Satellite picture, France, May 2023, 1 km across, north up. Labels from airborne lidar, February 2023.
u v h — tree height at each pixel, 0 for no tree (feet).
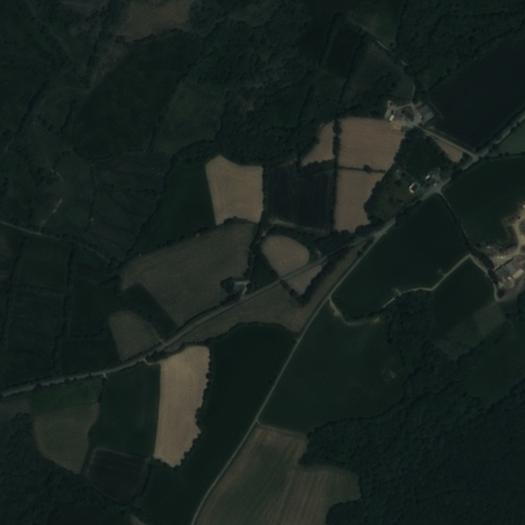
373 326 0
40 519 38
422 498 50
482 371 0
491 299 0
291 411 0
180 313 0
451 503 59
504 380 0
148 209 0
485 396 0
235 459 0
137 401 0
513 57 0
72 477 53
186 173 0
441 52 34
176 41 0
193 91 0
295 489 0
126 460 0
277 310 0
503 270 0
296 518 0
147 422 0
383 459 20
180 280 0
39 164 0
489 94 0
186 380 0
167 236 0
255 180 0
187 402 0
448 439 57
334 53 0
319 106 24
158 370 0
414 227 0
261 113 26
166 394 0
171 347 0
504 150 0
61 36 0
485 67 0
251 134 42
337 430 21
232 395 0
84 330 0
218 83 17
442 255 0
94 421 0
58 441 0
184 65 0
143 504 0
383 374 0
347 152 0
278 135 29
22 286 20
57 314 0
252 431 0
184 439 0
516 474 54
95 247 31
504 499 50
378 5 0
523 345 0
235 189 0
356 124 0
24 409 0
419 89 62
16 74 0
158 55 0
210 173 0
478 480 53
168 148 0
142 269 0
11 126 0
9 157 0
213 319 0
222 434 0
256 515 0
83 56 0
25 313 0
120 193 0
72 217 0
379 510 50
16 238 0
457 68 34
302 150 35
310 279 0
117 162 0
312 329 0
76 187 0
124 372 25
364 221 0
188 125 0
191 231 0
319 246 51
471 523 63
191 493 0
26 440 42
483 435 53
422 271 0
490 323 0
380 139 0
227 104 30
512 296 0
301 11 34
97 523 0
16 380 0
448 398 63
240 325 18
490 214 0
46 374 0
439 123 0
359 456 19
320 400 0
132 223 0
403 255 0
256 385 0
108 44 0
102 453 0
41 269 0
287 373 0
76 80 0
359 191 0
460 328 0
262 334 0
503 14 21
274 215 0
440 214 0
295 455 0
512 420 70
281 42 28
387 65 0
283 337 0
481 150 28
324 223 0
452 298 0
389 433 24
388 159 0
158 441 0
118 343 0
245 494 0
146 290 0
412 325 69
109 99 0
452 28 27
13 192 0
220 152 25
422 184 25
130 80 0
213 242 0
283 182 0
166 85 0
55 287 0
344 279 0
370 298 0
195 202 0
